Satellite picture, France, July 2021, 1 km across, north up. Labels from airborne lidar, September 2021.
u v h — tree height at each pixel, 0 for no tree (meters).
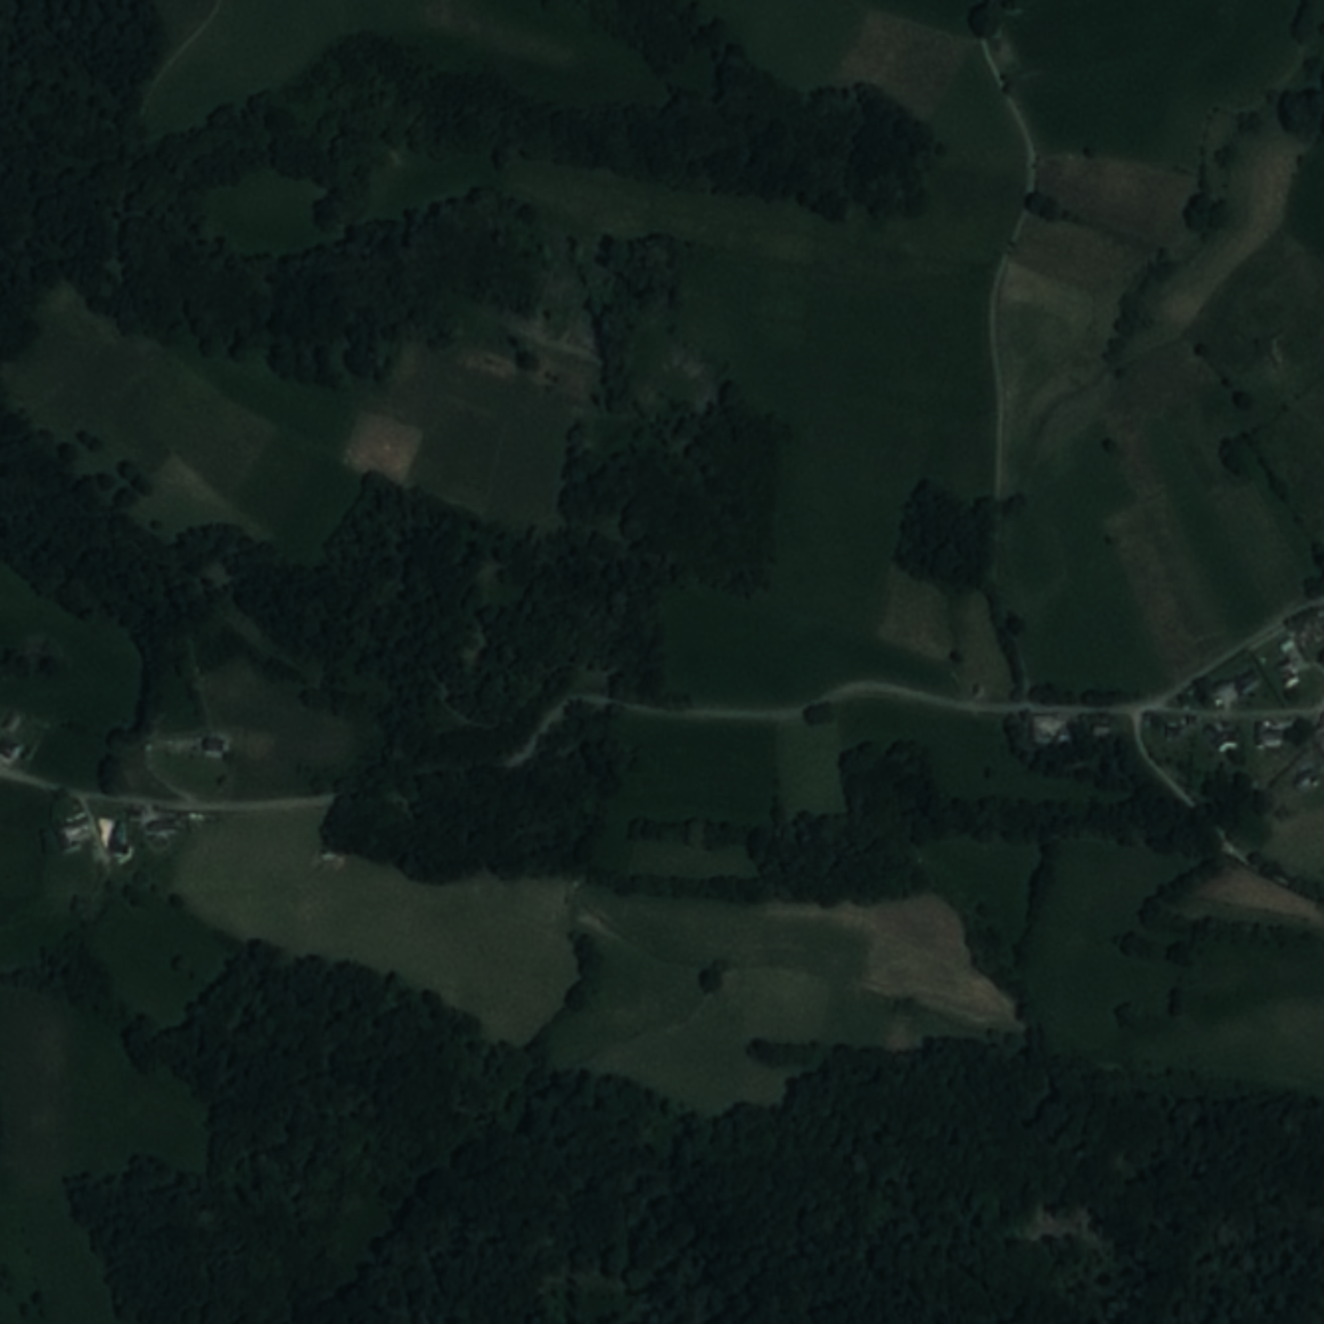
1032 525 0
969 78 0
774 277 0
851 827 17
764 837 20
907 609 0
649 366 0
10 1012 0
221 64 0
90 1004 6
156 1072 6
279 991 22
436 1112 25
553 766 25
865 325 0
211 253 23
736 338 0
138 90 13
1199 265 0
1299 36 14
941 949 0
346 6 0
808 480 0
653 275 23
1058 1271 24
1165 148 0
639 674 21
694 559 14
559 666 18
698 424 14
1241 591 0
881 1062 25
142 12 17
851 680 0
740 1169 28
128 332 13
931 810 29
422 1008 21
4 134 19
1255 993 0
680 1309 29
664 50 18
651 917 0
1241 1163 24
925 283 0
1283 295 0
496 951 0
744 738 0
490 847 25
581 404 0
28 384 0
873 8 0
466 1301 26
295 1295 26
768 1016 0
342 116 10
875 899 12
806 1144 26
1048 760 13
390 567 21
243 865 0
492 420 0
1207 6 0
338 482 0
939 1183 24
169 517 0
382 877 0
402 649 18
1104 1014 0
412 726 21
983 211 0
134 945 0
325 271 24
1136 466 0
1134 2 0
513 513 0
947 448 0
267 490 0
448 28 0
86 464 0
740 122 20
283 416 0
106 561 27
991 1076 33
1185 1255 30
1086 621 0
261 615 16
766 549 13
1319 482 0
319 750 0
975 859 0
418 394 0
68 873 0
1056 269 0
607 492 21
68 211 17
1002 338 0
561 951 0
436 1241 24
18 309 17
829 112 20
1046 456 0
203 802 0
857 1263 29
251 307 21
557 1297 11
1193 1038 0
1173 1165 27
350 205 26
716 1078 0
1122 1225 32
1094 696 14
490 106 10
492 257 18
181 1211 25
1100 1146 25
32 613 0
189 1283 19
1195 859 14
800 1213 31
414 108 16
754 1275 21
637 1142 27
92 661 0
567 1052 0
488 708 22
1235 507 0
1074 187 0
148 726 16
